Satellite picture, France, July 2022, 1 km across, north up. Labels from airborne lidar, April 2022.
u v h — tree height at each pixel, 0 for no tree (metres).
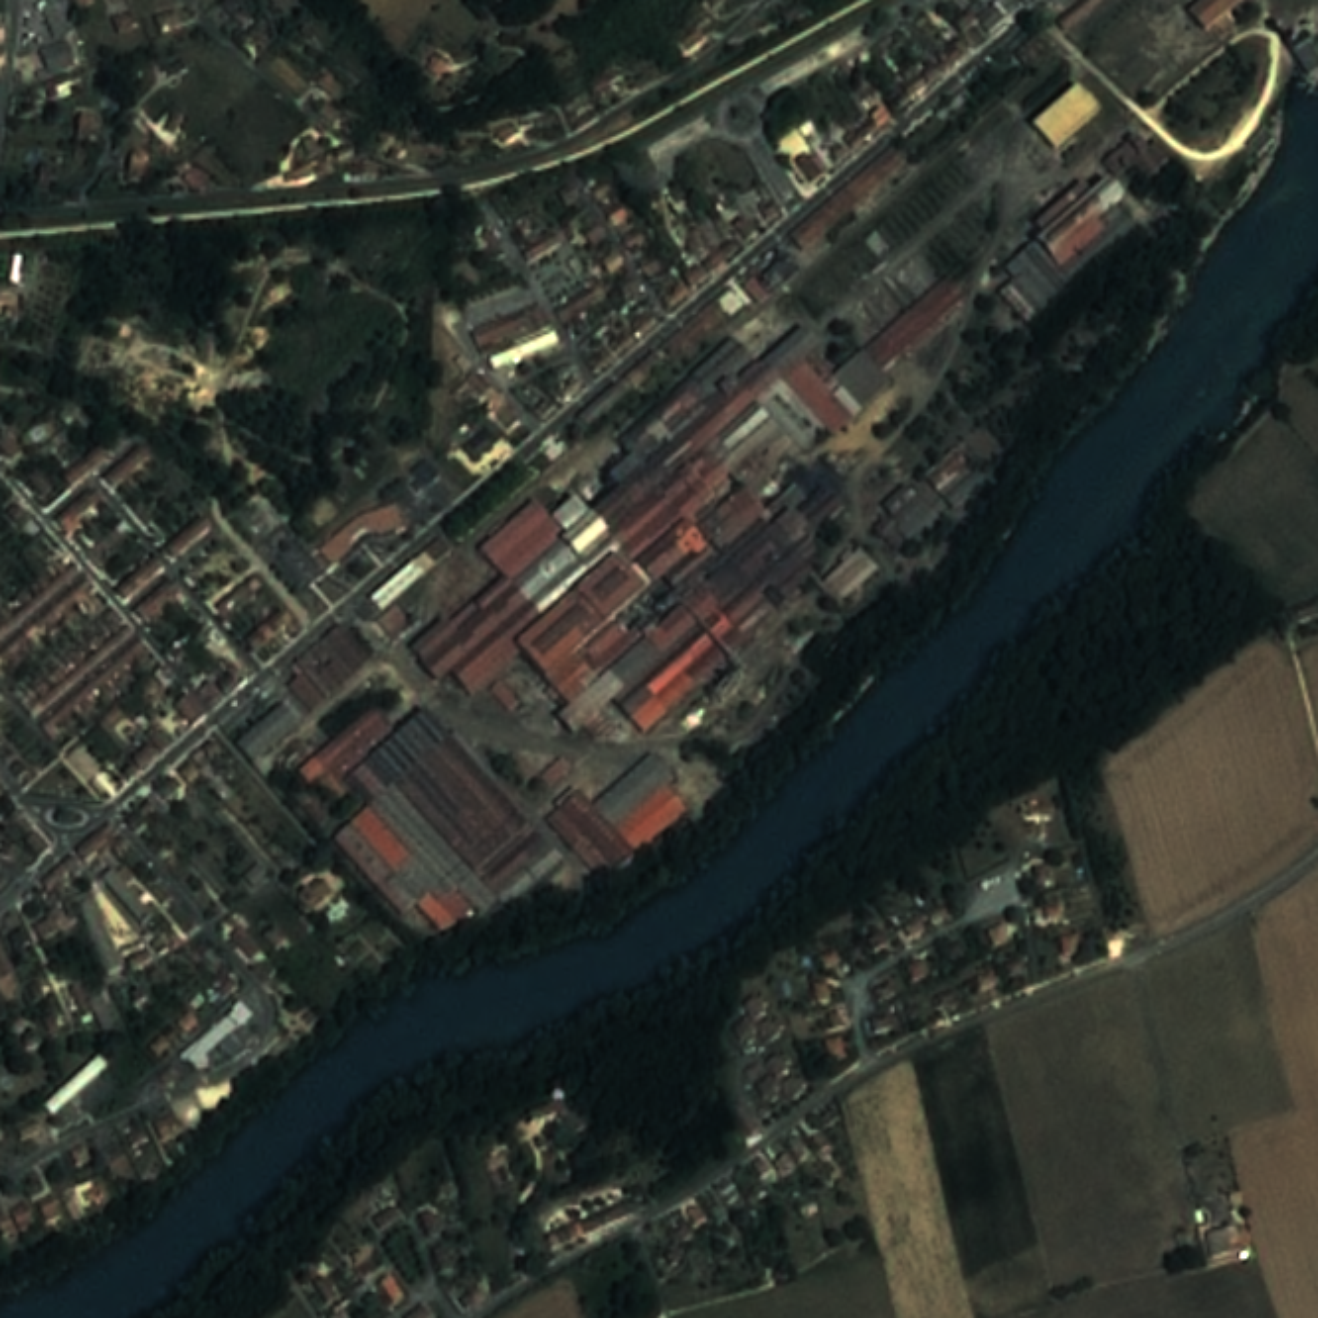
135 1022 10
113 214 0
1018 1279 0
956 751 14
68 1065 0
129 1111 0
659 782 0
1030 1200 0
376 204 7
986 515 19
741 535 0
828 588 0
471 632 0
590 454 0
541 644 0
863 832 20
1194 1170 0
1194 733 0
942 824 19
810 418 0
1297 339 13
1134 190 12
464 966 11
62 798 0
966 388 9
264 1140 0
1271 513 0
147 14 0
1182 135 0
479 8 11
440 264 7
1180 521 17
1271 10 0
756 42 8
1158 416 0
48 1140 0
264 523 0
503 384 0
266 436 15
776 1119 6
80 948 7
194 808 0
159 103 0
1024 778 21
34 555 0
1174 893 0
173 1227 0
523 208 0
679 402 0
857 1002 0
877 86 9
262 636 0
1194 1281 0
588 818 0
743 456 0
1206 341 0
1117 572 26
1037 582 0
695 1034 17
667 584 0
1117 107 0
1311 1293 0
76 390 16
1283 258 0
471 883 0
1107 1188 0
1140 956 0
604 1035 19
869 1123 0
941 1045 0
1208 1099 0
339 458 0
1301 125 0
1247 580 24
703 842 24
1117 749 12
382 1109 26
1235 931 0
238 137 0
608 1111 22
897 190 0
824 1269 0
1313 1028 0
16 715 0
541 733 0
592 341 7
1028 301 0
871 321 0
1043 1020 0
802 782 0
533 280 0
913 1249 0
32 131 0
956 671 0
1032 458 24
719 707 0
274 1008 0
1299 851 0
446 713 0
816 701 6
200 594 0
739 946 20
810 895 18
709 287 0
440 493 0
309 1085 0
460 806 0
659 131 0
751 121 0
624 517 0
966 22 0
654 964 0
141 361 0
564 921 26
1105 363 24
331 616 0
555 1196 14
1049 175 0
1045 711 26
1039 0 0
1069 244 0
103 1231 10
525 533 0
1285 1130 0
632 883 7
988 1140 0
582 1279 0
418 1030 0
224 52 0
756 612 0
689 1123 21
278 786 9
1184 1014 0
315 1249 13
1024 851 0
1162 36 0
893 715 0
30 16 0
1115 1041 0
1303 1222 0
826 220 0
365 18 12
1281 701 0
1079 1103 0
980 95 18
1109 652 17
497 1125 12
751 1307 0
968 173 0
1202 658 22
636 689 0
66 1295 0
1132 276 29
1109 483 0
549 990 0
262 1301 25
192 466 8
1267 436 0
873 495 0
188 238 17
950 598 31
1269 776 0
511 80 16
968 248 0
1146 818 0
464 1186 11
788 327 0
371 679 0
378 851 0
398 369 6
